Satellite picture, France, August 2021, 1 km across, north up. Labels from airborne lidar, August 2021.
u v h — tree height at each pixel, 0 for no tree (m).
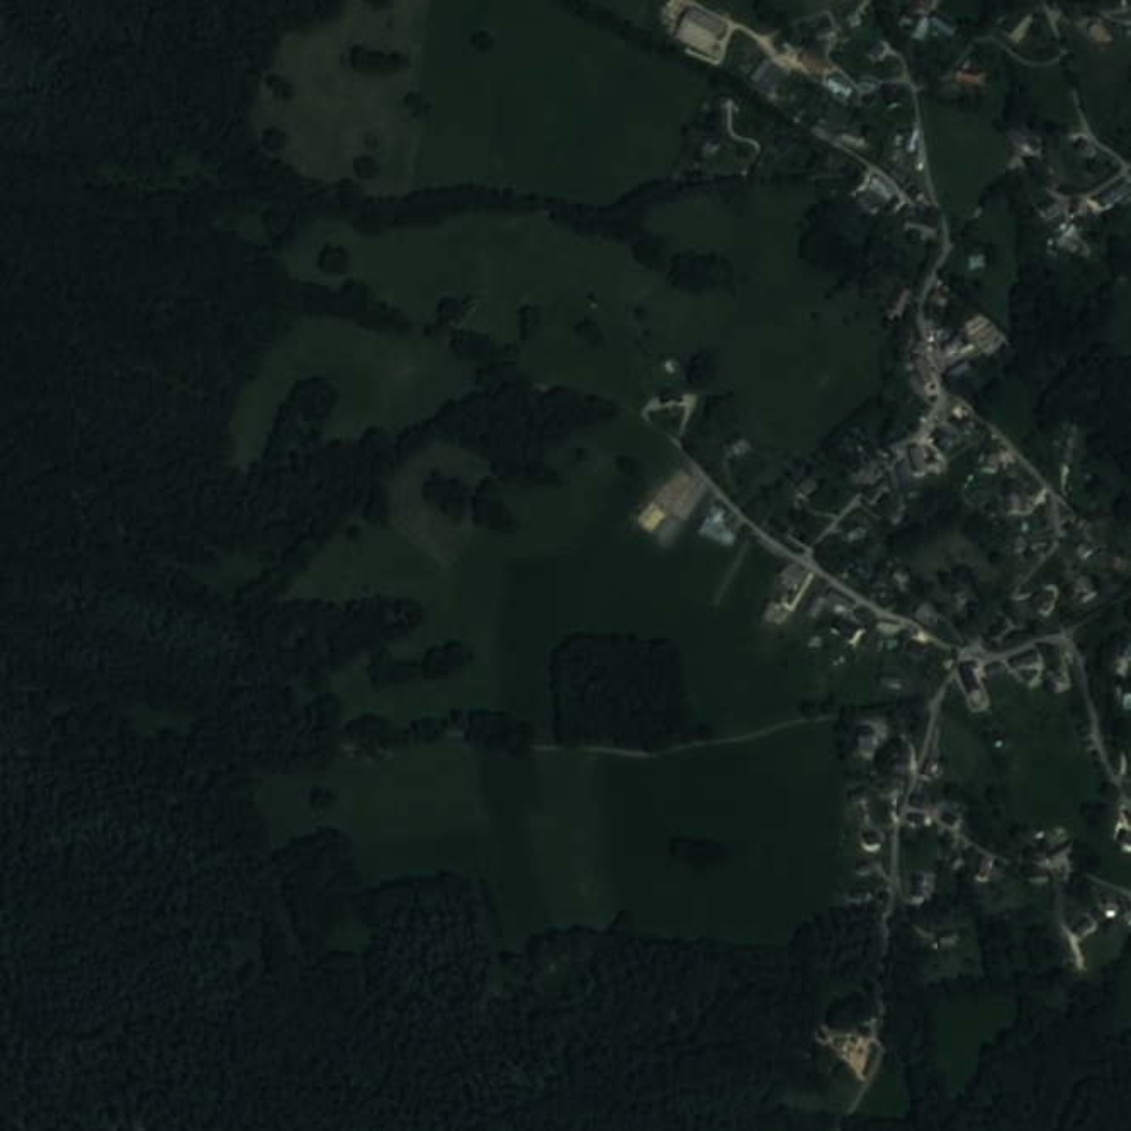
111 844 19
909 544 19
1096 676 12
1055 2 16
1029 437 7
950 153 0
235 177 15
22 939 29
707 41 0
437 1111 14
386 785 0
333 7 18
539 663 0
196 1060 27
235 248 18
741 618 0
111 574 19
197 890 33
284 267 14
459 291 0
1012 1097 22
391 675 11
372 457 16
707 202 0
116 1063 12
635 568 0
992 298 0
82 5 28
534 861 0
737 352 0
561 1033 21
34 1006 20
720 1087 23
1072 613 9
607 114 0
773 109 9
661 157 0
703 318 0
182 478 19
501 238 0
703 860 18
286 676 17
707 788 0
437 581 0
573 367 0
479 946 15
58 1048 29
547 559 0
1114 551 8
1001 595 7
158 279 21
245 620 25
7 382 13
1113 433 24
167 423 12
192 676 29
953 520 14
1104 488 24
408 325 20
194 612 19
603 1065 26
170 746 22
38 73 26
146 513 22
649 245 14
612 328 0
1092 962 0
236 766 21
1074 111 0
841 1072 14
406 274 0
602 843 0
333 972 25
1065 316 12
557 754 0
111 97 22
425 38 0
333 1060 17
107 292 20
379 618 19
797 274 0
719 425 0
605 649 19
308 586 0
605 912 0
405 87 0
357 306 23
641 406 0
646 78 0
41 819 21
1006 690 0
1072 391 28
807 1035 21
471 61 0
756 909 0
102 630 28
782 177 11
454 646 13
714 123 18
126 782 29
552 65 0
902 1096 0
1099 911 9
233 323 15
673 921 0
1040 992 20
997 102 0
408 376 0
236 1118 26
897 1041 13
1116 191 0
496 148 0
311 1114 29
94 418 11
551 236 0
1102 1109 29
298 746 15
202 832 25
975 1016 0
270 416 0
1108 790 15
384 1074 10
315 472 20
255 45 17
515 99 0
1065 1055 26
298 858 25
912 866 0
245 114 18
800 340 0
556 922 0
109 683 26
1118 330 0
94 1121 11
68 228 19
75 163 21
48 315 15
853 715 16
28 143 27
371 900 23
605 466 0
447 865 0
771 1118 19
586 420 20
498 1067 21
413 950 34
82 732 18
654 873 0
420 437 18
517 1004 10
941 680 0
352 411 0
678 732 20
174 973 25
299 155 0
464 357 12
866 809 0
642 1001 24
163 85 19
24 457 22
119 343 13
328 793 10
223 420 11
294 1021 27
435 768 0
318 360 0
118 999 28
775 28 13
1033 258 8
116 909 29
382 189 0
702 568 0
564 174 0
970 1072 0
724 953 9
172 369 14
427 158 0
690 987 24
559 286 0
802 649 0
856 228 0
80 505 17
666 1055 23
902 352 11
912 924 9
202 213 24
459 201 18
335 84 0
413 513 0
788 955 8
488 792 0
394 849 0
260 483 16
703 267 17
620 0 0
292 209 6
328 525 17
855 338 0
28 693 9
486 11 0
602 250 0
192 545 17
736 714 0
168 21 16
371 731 22
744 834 0
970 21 11
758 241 0
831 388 0
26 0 25
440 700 0
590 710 23
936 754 0
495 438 25
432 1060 18
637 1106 24
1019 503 0
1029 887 6
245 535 21
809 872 0
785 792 0
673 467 0
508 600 0
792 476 16
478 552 0
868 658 0
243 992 25
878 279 19
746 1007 27
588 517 0
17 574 18
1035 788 0
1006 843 9
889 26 16
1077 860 15
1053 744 0
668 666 25
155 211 22
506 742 18
